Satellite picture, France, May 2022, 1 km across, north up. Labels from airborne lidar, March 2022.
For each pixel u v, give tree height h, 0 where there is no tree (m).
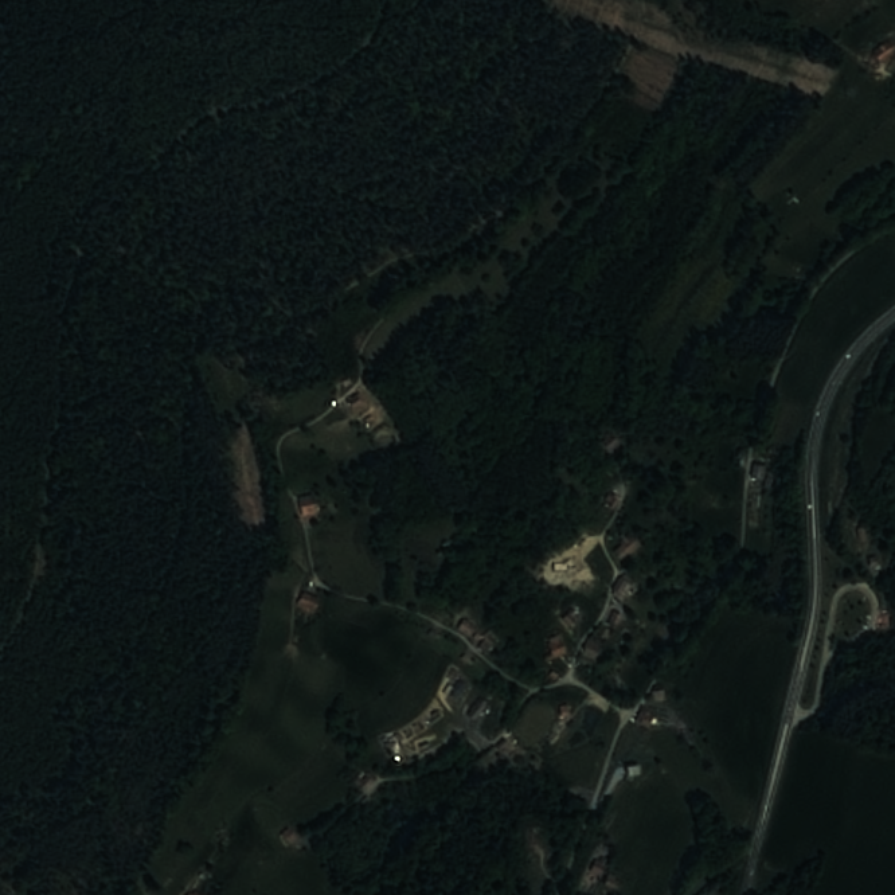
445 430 14
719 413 18
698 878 14
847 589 0
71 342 15
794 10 0
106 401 30
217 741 33
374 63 26
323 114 19
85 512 18
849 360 0
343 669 0
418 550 0
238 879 0
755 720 0
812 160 0
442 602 12
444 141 6
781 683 0
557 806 6
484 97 33
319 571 9
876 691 21
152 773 24
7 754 11
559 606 0
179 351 23
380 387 23
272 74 9
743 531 0
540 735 0
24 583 12
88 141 12
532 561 20
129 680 20
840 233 0
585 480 20
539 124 6
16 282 17
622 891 0
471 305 24
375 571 0
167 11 10
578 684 0
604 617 0
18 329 16
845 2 0
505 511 19
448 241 21
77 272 25
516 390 22
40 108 16
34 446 20
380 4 8
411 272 29
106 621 26
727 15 8
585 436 20
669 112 25
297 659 0
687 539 12
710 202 20
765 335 33
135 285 25
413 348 13
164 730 28
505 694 14
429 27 32
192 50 9
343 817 15
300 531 0
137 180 28
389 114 27
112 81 15
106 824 24
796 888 13
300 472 0
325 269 33
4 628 12
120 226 29
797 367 0
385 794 7
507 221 13
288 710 0
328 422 0
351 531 0
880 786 0
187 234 30
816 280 21
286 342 31
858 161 0
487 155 25
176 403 26
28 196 12
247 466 0
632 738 0
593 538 0
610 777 0
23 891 13
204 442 28
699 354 29
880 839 0
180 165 14
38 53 21
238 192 29
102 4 18
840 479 0
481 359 27
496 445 18
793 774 0
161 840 17
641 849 0
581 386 21
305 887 0
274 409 0
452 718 0
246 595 30
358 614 0
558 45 27
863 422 14
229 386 0
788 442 0
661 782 0
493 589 0
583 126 18
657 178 21
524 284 9
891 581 14
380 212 10
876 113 0
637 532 12
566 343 19
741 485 0
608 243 17
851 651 18
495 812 13
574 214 14
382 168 27
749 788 0
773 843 0
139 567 23
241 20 7
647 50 13
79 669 11
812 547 0
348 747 18
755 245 24
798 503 6
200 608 20
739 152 22
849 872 0
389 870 24
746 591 10
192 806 0
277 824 0
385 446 0
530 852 0
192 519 26
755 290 30
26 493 11
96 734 31
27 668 9
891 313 0
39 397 17
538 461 14
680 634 25
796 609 13
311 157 23
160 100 12
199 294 15
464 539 6
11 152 21
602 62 29
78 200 12
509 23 13
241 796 0
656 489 20
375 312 27
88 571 28
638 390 25
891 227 20
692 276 0
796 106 33
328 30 16
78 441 20
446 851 22
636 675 0
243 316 29
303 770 0
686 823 0
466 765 12
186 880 0
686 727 0
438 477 26
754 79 5
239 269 13
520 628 0
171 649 20
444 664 0
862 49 0
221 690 30
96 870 12
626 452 6
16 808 24
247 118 8
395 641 0
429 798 9
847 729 21
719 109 31
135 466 29
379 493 25
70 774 29
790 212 0
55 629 7
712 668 0
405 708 0
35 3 20
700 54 0
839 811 0
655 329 0
